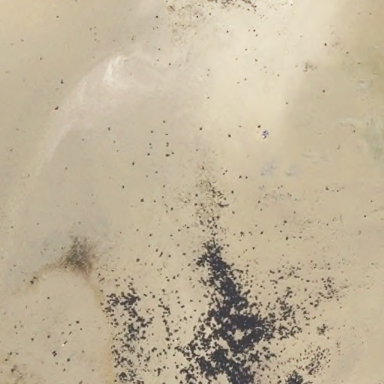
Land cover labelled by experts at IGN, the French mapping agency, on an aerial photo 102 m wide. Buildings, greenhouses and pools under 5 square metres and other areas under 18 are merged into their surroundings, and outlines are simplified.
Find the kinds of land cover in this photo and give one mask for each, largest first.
<instances>
[{"label":"bare soil","instance_id":"1","mask_svg":"<svg viewBox=\"0 0 384 384\"><path fill-rule=\"evenodd\" d=\"M208 240H216V244H219L222 249L220 258L232 267L235 289L240 291L241 297L247 298V307L241 310L231 307L229 312L232 315H256L261 318L268 313H274L276 316L274 336L270 340V351L274 352V357L262 361L264 366L270 367L256 373L253 378L255 384H384V0H0V384H183L186 376L181 373V369L187 367V360L183 354L175 351V346L189 345L193 337V325H199L198 318L201 312H208L210 300L204 298L205 286L199 283V279L210 277V265L204 264L201 267L196 264L204 255L205 243ZM130 288L136 289L138 301L133 303L136 312L144 319L153 318L151 325L145 328L144 340L126 339L129 328H124V322H127L129 313L123 306H115L112 312H105L109 294H127Z\"/></svg>","mask_w":384,"mask_h":384},{"label":"herbaceous vegetation","instance_id":"2","mask_svg":"<svg viewBox=\"0 0 384 384\"><path fill-rule=\"evenodd\" d=\"M222 249L219 244H216V240H208L205 243L204 255L196 264L201 267L204 264L210 265V277L199 279V283L205 286L204 298L210 300L208 312H201L198 318L199 325H193V337L189 345L175 346V351L183 354L187 360V367L181 369V373L186 376L183 384H255L253 378L256 373L270 367L264 366L262 361L274 357V352L270 351V340L274 336L276 316L274 313H268L261 318L256 315H232L229 312L231 307L241 310L247 307V298L241 297L240 291L235 289L232 267L220 258ZM138 301L136 289L130 288L127 294H109L105 312H112L115 306H123L129 313L127 322H124V328H129L126 339L144 340L145 328L151 325L153 318L144 319L136 312L133 303Z\"/></svg>","mask_w":384,"mask_h":384}]
</instances>
